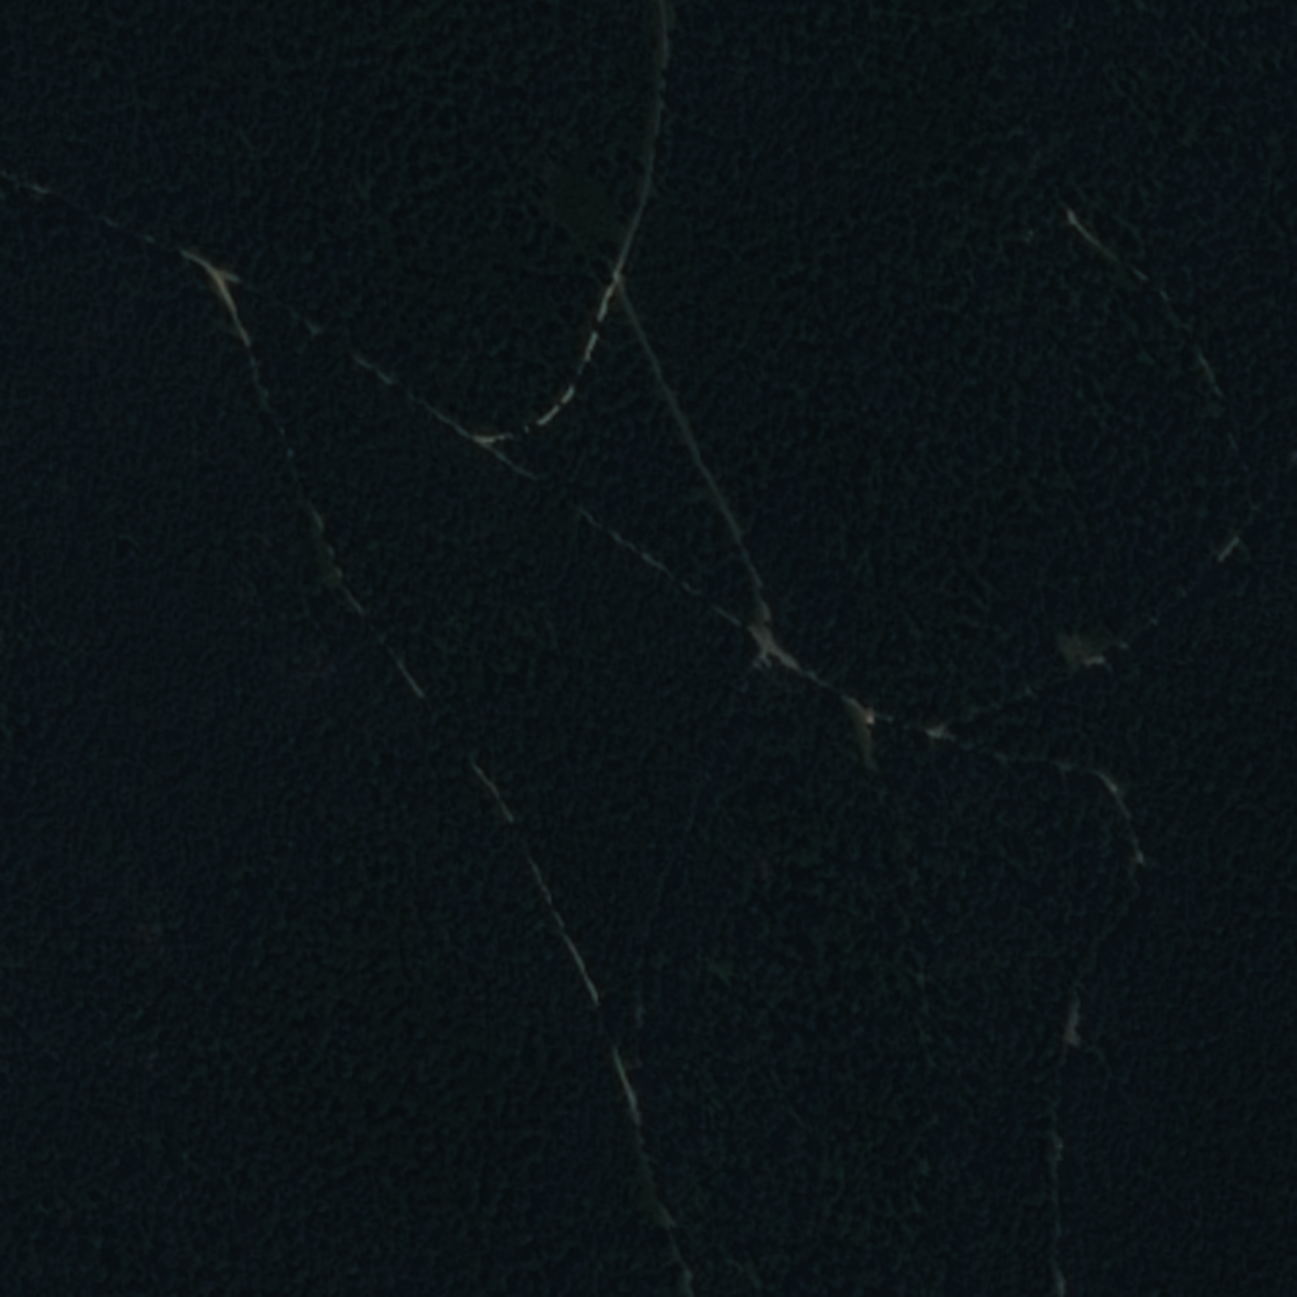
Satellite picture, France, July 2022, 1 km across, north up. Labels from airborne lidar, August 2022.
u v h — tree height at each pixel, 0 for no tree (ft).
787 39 35
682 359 36
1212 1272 94
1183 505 70
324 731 83
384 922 72
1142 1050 93
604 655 72
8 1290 94
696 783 62
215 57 61
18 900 102
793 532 61
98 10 61
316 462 64
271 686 82
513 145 64
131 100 101
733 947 23
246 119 83
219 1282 104
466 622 48
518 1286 86
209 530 78
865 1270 93
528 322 32
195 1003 93
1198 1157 87
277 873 79
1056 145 63
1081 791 62
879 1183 48
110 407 92
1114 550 68
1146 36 47
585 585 52
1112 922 58
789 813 69
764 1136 39
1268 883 79
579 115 24
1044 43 84
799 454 61
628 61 54
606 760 50
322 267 52
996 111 83
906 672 53
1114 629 85
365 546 61
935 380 42
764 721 114
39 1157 94
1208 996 73
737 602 70
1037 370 60
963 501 57
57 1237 99
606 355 63
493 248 21
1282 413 58
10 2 87
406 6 47
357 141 32
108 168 103
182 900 70
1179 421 97
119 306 98
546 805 52
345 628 80
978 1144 44
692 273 24
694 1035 46
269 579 87
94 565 77
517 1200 83
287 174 57
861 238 45
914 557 41
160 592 83
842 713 89
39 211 55
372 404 52
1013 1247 45
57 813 98
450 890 92
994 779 109
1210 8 47
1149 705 69
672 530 72
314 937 98
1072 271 47
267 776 90
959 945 115
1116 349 70
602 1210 89
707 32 74
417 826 79
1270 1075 73
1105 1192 89
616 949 70
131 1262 90
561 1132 78
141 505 99
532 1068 95
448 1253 89
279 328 57
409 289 24
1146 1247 91
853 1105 63
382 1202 109
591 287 53
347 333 43
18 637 95
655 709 72
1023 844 65
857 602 69
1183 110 59
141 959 82
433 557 43
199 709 95
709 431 42
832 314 76
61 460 100
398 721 96
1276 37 115
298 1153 83
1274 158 71
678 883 70
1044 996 50
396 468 70
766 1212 105
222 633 101
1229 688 72
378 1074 70
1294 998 89
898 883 36
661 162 18
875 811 47
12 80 111
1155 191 125
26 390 108
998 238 61
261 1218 88
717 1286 44
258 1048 77
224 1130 94
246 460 94
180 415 88
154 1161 92
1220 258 75
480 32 47
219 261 56
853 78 58
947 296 59
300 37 68
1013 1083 45
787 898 54
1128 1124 62
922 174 23
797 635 74
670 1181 97
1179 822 70
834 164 72
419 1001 68
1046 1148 67
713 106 63
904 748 62
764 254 25
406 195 54
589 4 68
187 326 97
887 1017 36
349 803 80
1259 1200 75
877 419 55
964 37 26
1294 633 76
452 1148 70
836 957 46
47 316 86
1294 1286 87
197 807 84
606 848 77
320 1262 82
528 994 73
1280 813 73
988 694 55
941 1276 48
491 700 61
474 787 74
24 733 105
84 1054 82
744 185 32
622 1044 74
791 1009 62
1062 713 67
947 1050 130
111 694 95
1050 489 98
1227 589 77
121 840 93
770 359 33
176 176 99
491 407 43
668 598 61
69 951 104
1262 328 84
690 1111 33
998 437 109
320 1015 101
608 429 42
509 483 64
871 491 70
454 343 65
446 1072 81
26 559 102
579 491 53
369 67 76
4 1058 95
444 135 18
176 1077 82
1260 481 49
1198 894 87
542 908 95
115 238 95
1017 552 52
